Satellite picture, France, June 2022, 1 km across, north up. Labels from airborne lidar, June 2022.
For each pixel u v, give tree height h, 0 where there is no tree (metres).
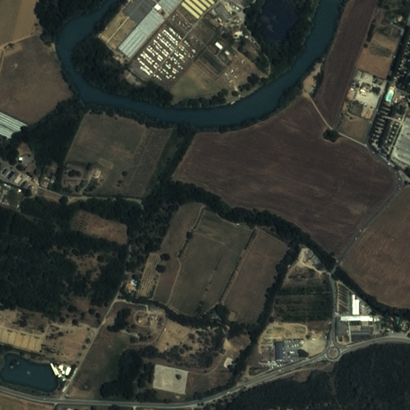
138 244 13
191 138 7
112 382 9
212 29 0
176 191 12
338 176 0
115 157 0
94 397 0
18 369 0
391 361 7
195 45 0
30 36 0
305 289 11
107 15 9
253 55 0
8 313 0
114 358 0
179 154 6
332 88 0
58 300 6
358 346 0
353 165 0
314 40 0
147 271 0
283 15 0
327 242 0
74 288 6
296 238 18
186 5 0
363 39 0
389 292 0
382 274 0
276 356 0
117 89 22
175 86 0
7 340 0
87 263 0
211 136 0
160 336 0
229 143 0
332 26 0
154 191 9
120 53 0
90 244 13
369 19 0
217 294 0
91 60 19
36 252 14
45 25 19
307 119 0
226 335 12
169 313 10
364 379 7
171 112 0
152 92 11
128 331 8
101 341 0
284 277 16
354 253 0
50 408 0
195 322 11
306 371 0
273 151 0
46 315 8
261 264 0
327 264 13
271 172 0
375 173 0
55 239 12
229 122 0
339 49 0
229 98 0
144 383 18
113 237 0
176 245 0
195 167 0
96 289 6
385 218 0
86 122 0
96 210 19
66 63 0
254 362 0
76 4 26
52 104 0
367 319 0
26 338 0
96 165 0
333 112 0
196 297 0
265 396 7
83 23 0
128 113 16
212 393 10
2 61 0
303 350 8
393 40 0
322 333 0
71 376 8
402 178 0
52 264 10
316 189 0
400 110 12
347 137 0
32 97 0
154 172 0
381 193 0
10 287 10
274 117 0
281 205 0
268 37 0
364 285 0
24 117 0
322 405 10
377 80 11
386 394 9
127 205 15
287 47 11
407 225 0
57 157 6
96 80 15
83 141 0
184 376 0
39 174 16
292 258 15
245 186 0
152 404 0
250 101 0
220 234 0
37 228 7
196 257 0
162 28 0
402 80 21
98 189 0
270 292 14
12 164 11
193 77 0
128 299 13
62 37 0
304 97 0
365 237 0
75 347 0
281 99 11
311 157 0
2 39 0
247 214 14
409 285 0
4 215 16
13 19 0
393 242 0
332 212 0
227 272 0
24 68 0
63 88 0
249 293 0
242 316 0
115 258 7
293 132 0
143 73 0
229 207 7
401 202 0
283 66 6
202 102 22
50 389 0
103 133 0
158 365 0
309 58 0
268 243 0
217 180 0
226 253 0
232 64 0
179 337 0
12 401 0
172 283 0
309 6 10
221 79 0
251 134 0
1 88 0
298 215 0
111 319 0
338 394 8
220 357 0
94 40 11
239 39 11
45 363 0
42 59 0
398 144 0
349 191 0
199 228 0
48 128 10
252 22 7
